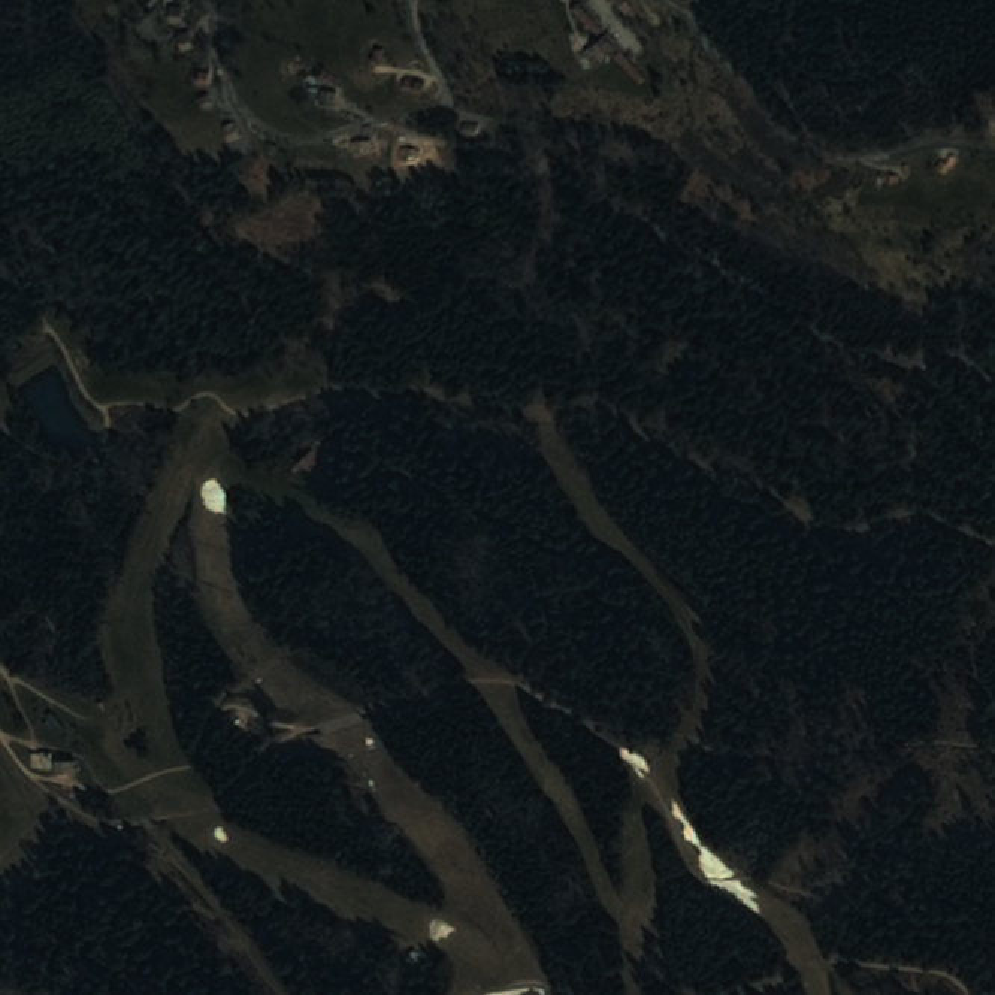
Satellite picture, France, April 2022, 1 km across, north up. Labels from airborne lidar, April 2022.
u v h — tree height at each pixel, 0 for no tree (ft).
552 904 66
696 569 81
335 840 53
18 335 78
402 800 0
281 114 0
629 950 0
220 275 91
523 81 49
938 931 96
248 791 73
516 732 0
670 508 117
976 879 51
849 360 50
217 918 0
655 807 0
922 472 37
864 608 91
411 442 110
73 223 103
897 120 74
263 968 0
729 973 79
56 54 76
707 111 0
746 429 127
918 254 43
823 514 115
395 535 65
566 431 70
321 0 0
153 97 0
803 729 56
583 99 0
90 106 66
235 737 72
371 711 0
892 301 53
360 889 0
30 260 62
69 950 123
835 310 96
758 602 95
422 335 111
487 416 93
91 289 78
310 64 0
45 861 94
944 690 86
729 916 66
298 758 31
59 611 67
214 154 0
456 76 35
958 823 0
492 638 36
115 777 0
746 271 57
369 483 106
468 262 76
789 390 125
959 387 91
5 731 0
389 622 78
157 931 34
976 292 63
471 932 0
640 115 0
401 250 64
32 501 78
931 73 94
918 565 50
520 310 91
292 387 0
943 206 0
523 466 127
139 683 0
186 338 80
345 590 83
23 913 40
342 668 89
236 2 51
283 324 60
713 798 60
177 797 0
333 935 44
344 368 116
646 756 0
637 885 0
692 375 48
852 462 70
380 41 0
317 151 0
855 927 42
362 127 0
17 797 0
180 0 19
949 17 84
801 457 58
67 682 57
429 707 56
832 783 37
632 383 128
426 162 0
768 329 101
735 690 109
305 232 0
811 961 0
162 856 0
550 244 53
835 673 86
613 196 35
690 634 0
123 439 25
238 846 0
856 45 68
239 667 0
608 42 0
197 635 58
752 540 103
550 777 0
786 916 0
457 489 122
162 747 0
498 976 0
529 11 0
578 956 121
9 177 30
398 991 53
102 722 0
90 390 0
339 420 118
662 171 50
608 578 80
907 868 95
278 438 73
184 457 0
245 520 53
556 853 70
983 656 24
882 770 59
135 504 50
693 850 0
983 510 35
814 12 55
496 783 35
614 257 115
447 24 39
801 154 57
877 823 89
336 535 0
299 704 0
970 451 91
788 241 61
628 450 102
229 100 0
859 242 0
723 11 65
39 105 64
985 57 67
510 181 69
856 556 66
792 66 44
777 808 83
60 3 77
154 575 0
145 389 0
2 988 58
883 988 53
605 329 128
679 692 74
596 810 64
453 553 66
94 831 0
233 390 0
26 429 55
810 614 130
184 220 50
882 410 116
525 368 104
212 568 0
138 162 56
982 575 53
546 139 39
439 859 0
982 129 61
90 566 55
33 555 113
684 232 35
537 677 83
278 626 64
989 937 53
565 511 124
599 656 108
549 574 88
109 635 0
